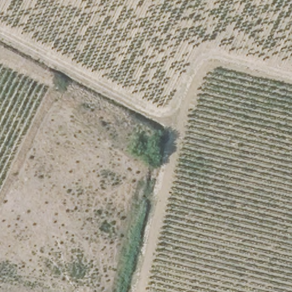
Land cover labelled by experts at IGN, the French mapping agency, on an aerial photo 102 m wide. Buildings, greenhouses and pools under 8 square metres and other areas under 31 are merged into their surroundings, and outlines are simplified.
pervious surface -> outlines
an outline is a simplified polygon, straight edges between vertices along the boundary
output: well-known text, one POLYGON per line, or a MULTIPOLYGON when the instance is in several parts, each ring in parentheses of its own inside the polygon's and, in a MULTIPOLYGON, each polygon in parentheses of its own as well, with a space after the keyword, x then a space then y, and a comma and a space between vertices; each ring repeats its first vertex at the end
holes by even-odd
POLYGON ((56 51, 54 42, 36 41, 33 34, 42 31, 42 26, 35 26, 33 32, 23 34, 22 27, 11 27, 0 21, 0 39, 62 71, 84 86, 95 89, 115 102, 145 115, 148 119, 168 116, 171 107, 157 107, 151 100, 143 98, 141 92, 133 94, 135 87, 123 88, 112 79, 103 78, 103 74, 111 73, 109 70, 92 72, 90 68, 76 63, 73 54, 62 55, 56 51))

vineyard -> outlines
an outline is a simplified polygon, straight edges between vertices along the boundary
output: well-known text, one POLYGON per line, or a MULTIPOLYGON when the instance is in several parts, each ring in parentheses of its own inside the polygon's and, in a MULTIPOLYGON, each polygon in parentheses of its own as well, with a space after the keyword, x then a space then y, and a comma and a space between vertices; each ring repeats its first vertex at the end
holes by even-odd
POLYGON ((0 64, 0 187, 48 86, 0 64))
POLYGON ((130 292, 292 292, 292 0, 0 0, 0 21, 11 27, 22 27, 23 34, 33 32, 35 26, 42 26, 42 31, 33 34, 36 41, 54 42, 56 51, 62 55, 73 54, 76 63, 90 68, 92 72, 109 70, 111 73, 103 74, 103 78, 112 79, 123 88, 135 87, 133 94, 141 92, 143 98, 151 100, 157 107, 171 107, 168 116, 148 119, 145 115, 115 102, 95 89, 84 86, 62 71, 0 39, 0 46, 54 74, 54 84, 60 91, 66 91, 67 87, 73 84, 119 107, 133 119, 154 129, 162 132, 159 144, 162 167, 155 169, 148 165, 148 171, 153 172, 152 178, 156 179, 156 184, 152 200, 145 202, 145 209, 139 243, 132 261, 132 269, 135 269, 136 273, 132 276, 130 292))

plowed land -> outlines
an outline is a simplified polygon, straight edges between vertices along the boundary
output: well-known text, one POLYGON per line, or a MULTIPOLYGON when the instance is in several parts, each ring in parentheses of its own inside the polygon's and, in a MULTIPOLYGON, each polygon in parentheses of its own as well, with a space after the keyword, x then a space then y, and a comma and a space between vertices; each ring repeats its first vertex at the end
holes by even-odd
POLYGON ((54 74, 0 46, 0 64, 48 86, 54 84, 54 74))

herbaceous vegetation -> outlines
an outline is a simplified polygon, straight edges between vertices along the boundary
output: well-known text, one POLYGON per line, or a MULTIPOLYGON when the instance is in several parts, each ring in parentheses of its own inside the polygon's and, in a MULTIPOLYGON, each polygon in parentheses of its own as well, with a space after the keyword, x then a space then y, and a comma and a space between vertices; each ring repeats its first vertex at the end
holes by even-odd
POLYGON ((143 160, 133 161, 132 151, 137 139, 140 143, 147 143, 147 137, 154 136, 154 129, 133 119, 119 107, 73 84, 67 87, 66 91, 60 91, 54 84, 48 86, 0 187, 0 292, 112 292, 115 275, 121 274, 121 269, 116 265, 119 262, 120 251, 128 242, 127 235, 132 219, 136 216, 139 206, 145 209, 145 202, 152 200, 156 184, 156 179, 152 178, 153 172, 148 171, 148 165, 143 160))

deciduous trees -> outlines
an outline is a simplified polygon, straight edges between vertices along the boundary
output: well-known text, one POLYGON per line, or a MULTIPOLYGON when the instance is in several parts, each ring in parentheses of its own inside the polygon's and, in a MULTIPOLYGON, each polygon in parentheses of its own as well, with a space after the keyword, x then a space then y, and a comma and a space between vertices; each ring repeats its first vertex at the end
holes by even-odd
POLYGON ((112 292, 130 292, 132 276, 136 273, 135 269, 132 269, 132 261, 139 243, 145 209, 139 206, 136 216, 132 219, 127 235, 128 242, 120 251, 119 262, 116 265, 121 269, 121 274, 115 275, 112 292))
POLYGON ((137 139, 132 151, 133 161, 143 160, 148 165, 155 169, 162 167, 159 144, 162 132, 154 129, 154 136, 147 137, 147 143, 140 143, 137 139))

